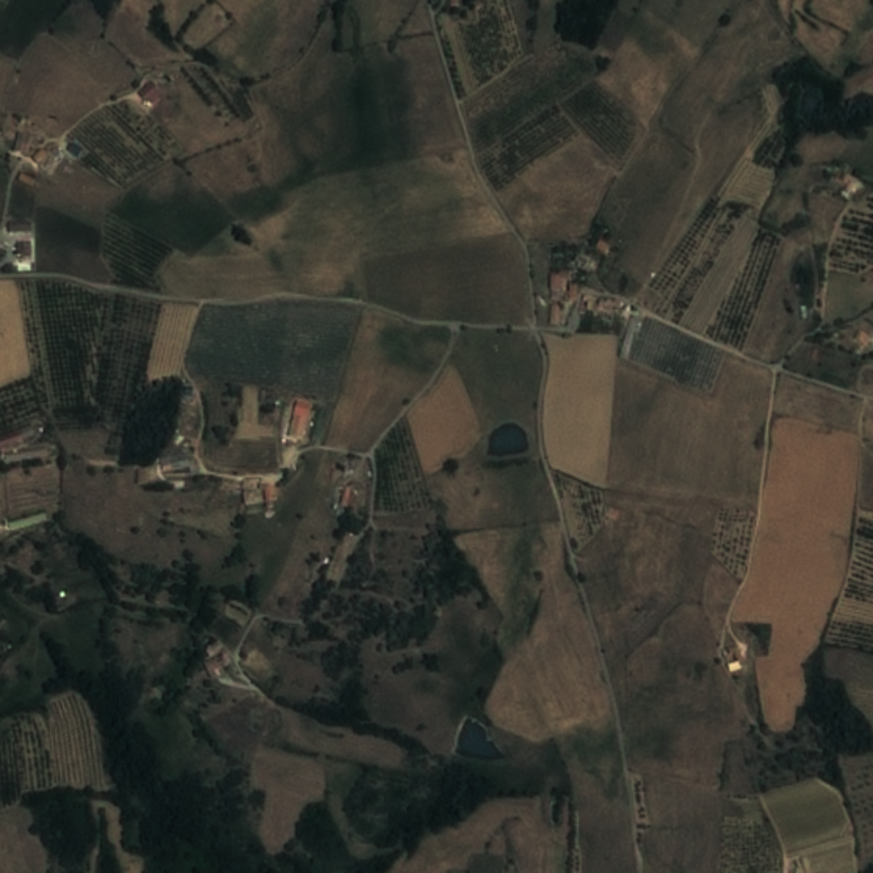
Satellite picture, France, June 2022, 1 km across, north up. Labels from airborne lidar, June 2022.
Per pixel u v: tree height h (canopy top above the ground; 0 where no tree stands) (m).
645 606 0
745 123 0
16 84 0
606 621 0
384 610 14
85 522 0
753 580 0
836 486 0
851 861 0
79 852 11
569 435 0
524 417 0
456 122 0
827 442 0
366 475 0
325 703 10
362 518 9
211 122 0
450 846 0
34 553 8
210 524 0
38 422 0
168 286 0
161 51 0
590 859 0
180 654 10
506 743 0
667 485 0
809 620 0
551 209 0
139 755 24
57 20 6
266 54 0
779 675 0
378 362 0
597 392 0
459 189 0
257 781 0
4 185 0
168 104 0
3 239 0
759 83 0
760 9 0
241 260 0
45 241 0
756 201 0
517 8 0
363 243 0
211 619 9
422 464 0
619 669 0
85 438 0
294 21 0
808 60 11
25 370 0
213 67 6
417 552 0
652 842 0
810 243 0
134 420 13
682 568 0
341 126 0
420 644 7
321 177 0
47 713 9
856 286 0
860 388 0
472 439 0
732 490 0
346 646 10
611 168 0
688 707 0
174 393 6
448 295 0
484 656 0
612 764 0
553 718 0
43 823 7
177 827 27
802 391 0
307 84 0
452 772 13
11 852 0
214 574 0
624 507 0
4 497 0
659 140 0
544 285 0
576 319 0
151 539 0
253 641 0
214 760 0
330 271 0
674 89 0
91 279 0
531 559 0
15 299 0
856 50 0
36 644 0
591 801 0
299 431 0
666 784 0
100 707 16
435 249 0
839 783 8
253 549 0
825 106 9
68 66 0
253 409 0
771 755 0
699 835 0
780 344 0
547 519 0
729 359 0
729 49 0
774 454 0
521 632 0
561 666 0
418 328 0
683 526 0
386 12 0
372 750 0
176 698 8
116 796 7
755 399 0
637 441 0
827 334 8
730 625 0
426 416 0
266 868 8
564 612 0
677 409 0
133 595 7
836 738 11
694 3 0
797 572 0
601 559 0
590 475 0
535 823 0
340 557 0
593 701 0
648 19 0
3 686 8
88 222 0
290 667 0
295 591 0
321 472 0
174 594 12
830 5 0
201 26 0
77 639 0
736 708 0
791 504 0
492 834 0
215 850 11
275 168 0
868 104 13
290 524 0
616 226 0
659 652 0
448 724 0
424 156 0
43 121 0
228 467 0
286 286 0
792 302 0
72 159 0
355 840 0
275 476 0
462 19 6
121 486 0
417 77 0
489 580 0
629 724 0
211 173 0
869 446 0
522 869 0
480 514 0
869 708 0
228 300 0
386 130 0
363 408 0
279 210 0
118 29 0
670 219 0
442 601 12
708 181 0
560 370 0
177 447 0
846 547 0
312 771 0
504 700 0
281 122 0
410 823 11
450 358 0
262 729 0
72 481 0
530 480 0
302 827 10
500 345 0
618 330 0
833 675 0
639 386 0
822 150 0
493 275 0
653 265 0
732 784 0
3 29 0
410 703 0
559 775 0
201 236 0
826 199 0
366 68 0
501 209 0
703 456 0
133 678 10
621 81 0
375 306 0
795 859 0
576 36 10
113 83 0
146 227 0
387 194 0
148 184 0
